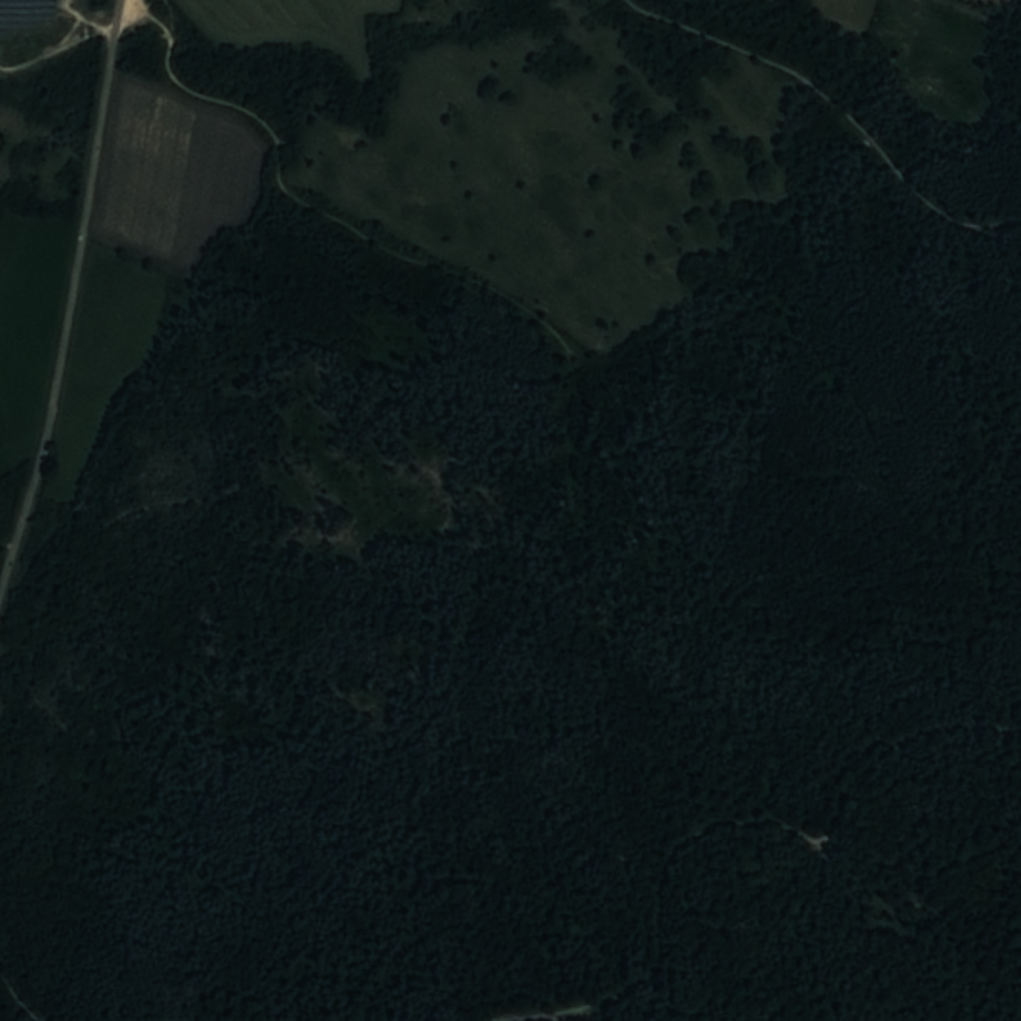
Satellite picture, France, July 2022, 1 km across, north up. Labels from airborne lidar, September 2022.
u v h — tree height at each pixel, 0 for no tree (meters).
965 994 14
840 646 16
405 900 16
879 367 28
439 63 0
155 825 21
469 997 14
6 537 0
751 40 9
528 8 14
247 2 0
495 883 11
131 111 0
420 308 12
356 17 0
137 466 11
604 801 20
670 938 24
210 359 10
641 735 19
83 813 7
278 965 19
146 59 8
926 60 0
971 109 0
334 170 0
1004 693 18
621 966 8
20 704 12
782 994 24
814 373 20
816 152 22
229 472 14
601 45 0
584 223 0
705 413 18
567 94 0
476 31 7
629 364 6
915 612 24
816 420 27
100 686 10
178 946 27
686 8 6
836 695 20
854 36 13
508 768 18
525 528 8
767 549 24
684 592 14
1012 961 11
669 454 30
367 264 9
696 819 19
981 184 25
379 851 32
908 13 0
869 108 23
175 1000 24
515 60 0
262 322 10
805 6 12
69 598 8
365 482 6
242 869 7
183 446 9
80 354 0
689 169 7
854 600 23
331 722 26
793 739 19
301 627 16
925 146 16
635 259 0
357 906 24
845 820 20
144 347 0
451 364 31
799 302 23
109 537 10
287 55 14
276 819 28
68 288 0
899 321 26
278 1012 27
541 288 0
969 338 28
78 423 0
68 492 0
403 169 0
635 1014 23
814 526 18
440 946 27
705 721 17
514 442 30
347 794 26
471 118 0
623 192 0
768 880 16
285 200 16
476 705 22
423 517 0
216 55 13
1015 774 14
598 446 16
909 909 23
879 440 25
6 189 7
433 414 24
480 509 6
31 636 10
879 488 24
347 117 16
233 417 18
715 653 14
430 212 0
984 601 17
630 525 9
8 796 9
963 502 14
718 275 20
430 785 24
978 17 0
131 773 9
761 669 10
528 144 0
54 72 8
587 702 21
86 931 19
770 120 0
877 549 15
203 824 23
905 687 22
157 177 0
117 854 7
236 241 9
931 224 23
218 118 0
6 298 0
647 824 11
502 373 25
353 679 15
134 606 9
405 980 8
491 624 16
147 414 7
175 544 9
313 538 0
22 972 17
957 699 26
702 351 8
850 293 29
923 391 25
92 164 0
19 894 16
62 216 7
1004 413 13
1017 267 21
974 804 19
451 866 14
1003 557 24
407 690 20
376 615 27
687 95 8
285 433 10
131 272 0
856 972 16
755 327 17
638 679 14
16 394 0
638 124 8
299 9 0
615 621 6
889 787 17
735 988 15
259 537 17
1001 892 11
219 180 0
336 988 23
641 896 16
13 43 0
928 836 20
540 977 22
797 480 14
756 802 19
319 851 28
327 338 12
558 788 20
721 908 30
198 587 12
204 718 13
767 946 19
